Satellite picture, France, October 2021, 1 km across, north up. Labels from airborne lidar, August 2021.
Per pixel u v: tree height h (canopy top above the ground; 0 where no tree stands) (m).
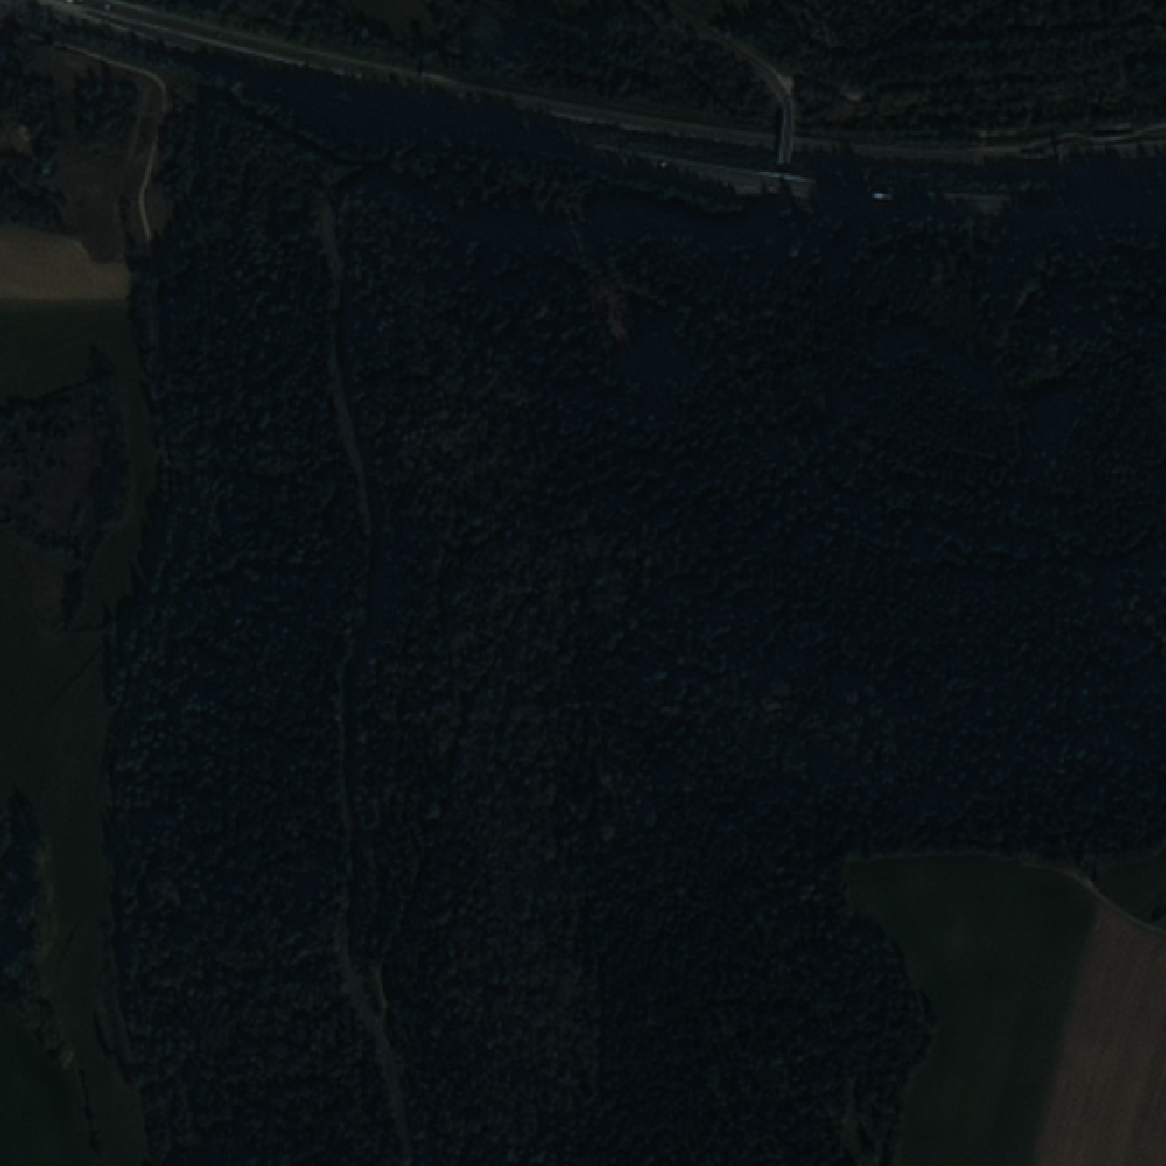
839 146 0
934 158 0
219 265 17
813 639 28
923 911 0
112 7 0
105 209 0
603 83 15
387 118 8
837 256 9
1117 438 28
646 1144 14
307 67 0
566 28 16
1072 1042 0
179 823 17
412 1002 6
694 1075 9
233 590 15
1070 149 0
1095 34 19
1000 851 9
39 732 0
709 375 31
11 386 0
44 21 13
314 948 17
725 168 0
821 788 24
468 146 19
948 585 21
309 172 15
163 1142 16
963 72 22
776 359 18
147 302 21
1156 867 0
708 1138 20
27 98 12
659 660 19
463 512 15
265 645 26
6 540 0
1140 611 28
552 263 6
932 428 25
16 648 0
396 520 9
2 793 0
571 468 12
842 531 35
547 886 14
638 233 23
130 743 26
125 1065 0
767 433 15
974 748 25
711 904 22
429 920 12
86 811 0
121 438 21
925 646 32
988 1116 0
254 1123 25
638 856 19
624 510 29
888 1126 11
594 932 18
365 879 22
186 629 26
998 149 0
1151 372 23
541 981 8
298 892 17
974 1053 0
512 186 18
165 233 0
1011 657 34
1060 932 0
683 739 22
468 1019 9
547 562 13
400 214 19
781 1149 16
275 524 26
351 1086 11
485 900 9
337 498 7
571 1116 13
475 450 10
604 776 21
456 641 21
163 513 7
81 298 0
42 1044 33
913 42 28
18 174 12
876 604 24
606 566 15
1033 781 26
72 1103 0
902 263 12
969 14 13
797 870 17
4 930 8
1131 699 31
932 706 32
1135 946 0
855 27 21
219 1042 17
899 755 25
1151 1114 0
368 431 13
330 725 22
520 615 6
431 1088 9
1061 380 6
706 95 14
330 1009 8
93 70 0
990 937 0
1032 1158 0
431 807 18
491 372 17
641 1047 16
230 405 27
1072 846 14
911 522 7
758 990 9
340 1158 22
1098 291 8
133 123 12
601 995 6
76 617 10
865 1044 26
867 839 21
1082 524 26
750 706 26
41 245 0
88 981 0
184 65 12
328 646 25
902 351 30
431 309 22
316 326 23
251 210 18
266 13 6
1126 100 7
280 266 18
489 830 6
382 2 0
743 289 26
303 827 22
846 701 27
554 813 11
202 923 25
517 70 17
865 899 0
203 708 22
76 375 0
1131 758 26
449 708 11
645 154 0
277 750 17
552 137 0
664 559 20
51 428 11
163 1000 8
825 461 8
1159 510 31
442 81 0
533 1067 7
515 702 9
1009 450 27
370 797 16
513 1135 14
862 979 26
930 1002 0
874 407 28
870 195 0
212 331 22
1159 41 12
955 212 7
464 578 11
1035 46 18
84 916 0
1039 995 0
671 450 38
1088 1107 0
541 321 8
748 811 18
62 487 0
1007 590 26
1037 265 28
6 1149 0
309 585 25
